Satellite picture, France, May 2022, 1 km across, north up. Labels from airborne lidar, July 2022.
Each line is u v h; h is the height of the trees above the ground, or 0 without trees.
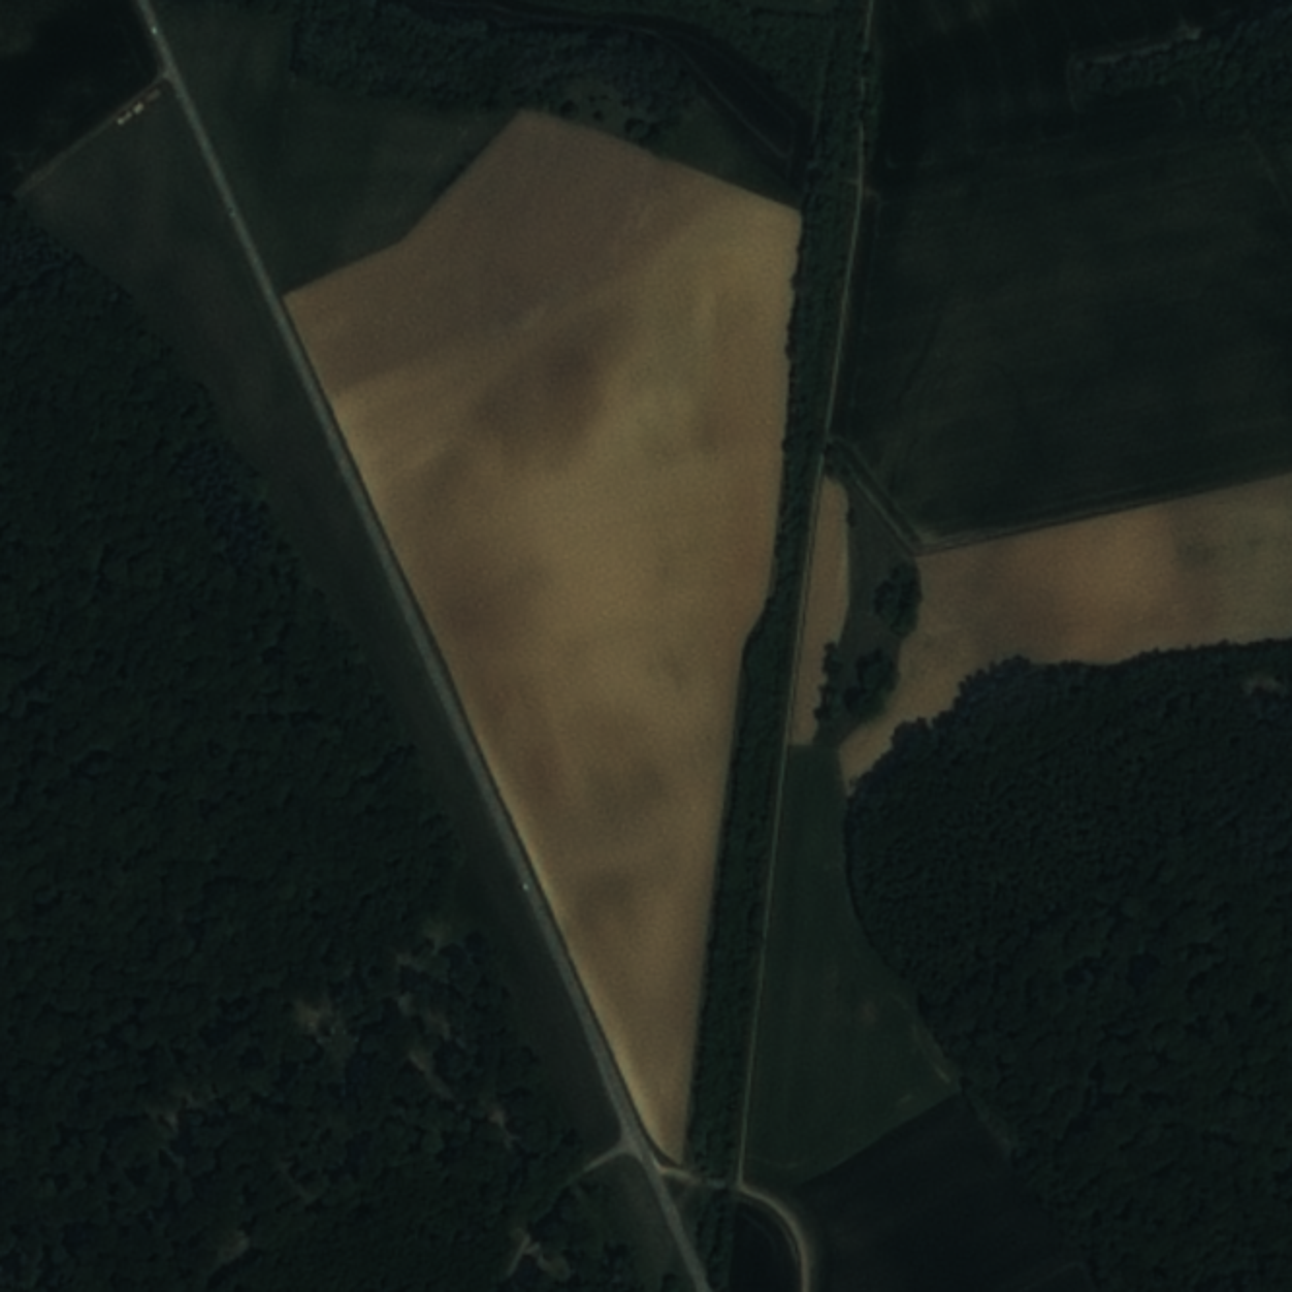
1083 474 0
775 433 0
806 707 0
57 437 28
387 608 0
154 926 31
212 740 26
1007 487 0
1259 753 24
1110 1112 31
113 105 0
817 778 0
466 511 0
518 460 0
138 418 25
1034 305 0
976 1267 0
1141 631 0
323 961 16
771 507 0
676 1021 0
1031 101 0
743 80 0
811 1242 0
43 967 32
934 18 0
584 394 0
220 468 26
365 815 22
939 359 0
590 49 7
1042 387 0
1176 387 0
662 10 21
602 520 0
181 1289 28
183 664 21
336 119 0
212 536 26
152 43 0
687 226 0
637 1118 0
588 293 0
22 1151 33
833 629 0
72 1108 28
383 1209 18
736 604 0
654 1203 0
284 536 9
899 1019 0
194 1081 31
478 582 0
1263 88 18
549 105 13
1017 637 0
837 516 0
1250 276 0
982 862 20
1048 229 0
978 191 0
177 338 0
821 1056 0
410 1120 31
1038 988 29
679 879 0
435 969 29
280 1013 29
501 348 0
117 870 30
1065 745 21
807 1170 0
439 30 27
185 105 0
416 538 0
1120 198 0
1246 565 0
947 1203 0
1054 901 19
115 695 33
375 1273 16
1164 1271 24
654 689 0
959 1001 30
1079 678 20
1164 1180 30
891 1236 0
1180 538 0
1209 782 24
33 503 31
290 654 28
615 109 0
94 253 0
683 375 0
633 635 0
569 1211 33
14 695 29
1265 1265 24
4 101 0
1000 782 24
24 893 29
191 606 28
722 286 0
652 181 0
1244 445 0
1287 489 0
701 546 0
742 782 7
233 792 26
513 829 0
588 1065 0
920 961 21
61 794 36
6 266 20
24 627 27
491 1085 31
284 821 24
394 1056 33
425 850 23
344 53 21
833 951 0
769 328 0
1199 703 25
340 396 0
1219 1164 30
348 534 0
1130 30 0
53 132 0
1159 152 0
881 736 0
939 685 0
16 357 25
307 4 14
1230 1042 23
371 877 23
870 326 0
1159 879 30
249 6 19
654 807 0
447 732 0
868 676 16
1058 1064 32
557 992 0
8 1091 34
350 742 29
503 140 0
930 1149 0
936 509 0
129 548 29
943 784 23
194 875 31
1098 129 0
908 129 0
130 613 28
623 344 0
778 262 0
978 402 0
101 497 26
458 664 0
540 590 0
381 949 33
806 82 16
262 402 0
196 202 0
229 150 0
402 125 0
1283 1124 23
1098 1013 28
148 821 30
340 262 0
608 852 0
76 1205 33
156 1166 31
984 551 0
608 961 0
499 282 0
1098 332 0
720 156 0
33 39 0
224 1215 30
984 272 0
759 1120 0
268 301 0
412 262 0
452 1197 21
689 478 0
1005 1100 26
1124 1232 30
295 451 0
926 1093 0
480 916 0
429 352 0
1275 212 0
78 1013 24
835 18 13
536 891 0
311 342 0
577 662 0
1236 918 30
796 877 0
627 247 0
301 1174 27
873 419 0
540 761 0
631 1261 12
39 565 29
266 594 26
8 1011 23
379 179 0
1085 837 20
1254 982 29
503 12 0
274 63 0
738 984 11
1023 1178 14
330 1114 28
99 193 0
